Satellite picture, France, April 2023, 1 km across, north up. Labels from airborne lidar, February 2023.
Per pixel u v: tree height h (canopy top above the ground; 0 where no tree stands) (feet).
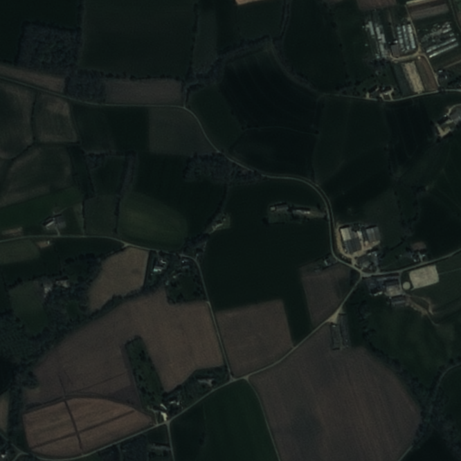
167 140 0
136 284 0
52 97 0
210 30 0
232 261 0
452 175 0
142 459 53
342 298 0
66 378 0
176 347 0
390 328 0
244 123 0
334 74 0
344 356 0
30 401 0
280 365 0
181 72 0
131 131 0
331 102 0
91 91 58
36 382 38
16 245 0
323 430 0
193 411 0
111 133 0
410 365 0
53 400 0
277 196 0
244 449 0
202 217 0
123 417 0
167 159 0
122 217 0
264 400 0
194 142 0
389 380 0
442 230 0
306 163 0
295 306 0
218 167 52
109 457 46
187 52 0
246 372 0
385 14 0
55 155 0
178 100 0
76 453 0
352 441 0
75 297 30
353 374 0
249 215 0
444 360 0
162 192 0
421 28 0
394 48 0
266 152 0
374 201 0
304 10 0
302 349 0
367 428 0
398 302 0
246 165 0
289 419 0
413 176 0
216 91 0
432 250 0
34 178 0
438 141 27
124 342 0
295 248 0
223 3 0
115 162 0
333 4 0
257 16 0
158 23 0
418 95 0
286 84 0
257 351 0
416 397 45
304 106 0
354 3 0
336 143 0
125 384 0
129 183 50
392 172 26
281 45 24
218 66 40
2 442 52
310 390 0
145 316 0
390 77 0
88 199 34
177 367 0
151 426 0
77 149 0
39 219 0
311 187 0
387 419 0
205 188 0
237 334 0
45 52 43
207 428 0
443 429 62
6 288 28
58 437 0
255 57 0
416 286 0
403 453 0
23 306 0
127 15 0
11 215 0
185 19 0
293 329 0
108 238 0
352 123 0
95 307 0
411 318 0
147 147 0
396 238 0
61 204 0
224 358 0
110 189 0
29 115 0
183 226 0
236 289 0
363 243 0
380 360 43
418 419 0
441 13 0
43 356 64
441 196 0
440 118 0
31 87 0
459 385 0
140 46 0
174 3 0
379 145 0
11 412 22
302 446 0
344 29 0
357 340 0
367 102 0
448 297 0
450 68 0
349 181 0
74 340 0
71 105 0
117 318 0
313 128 0
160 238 0
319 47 0
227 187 26
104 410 0
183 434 0
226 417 0
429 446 0
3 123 0
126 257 0
